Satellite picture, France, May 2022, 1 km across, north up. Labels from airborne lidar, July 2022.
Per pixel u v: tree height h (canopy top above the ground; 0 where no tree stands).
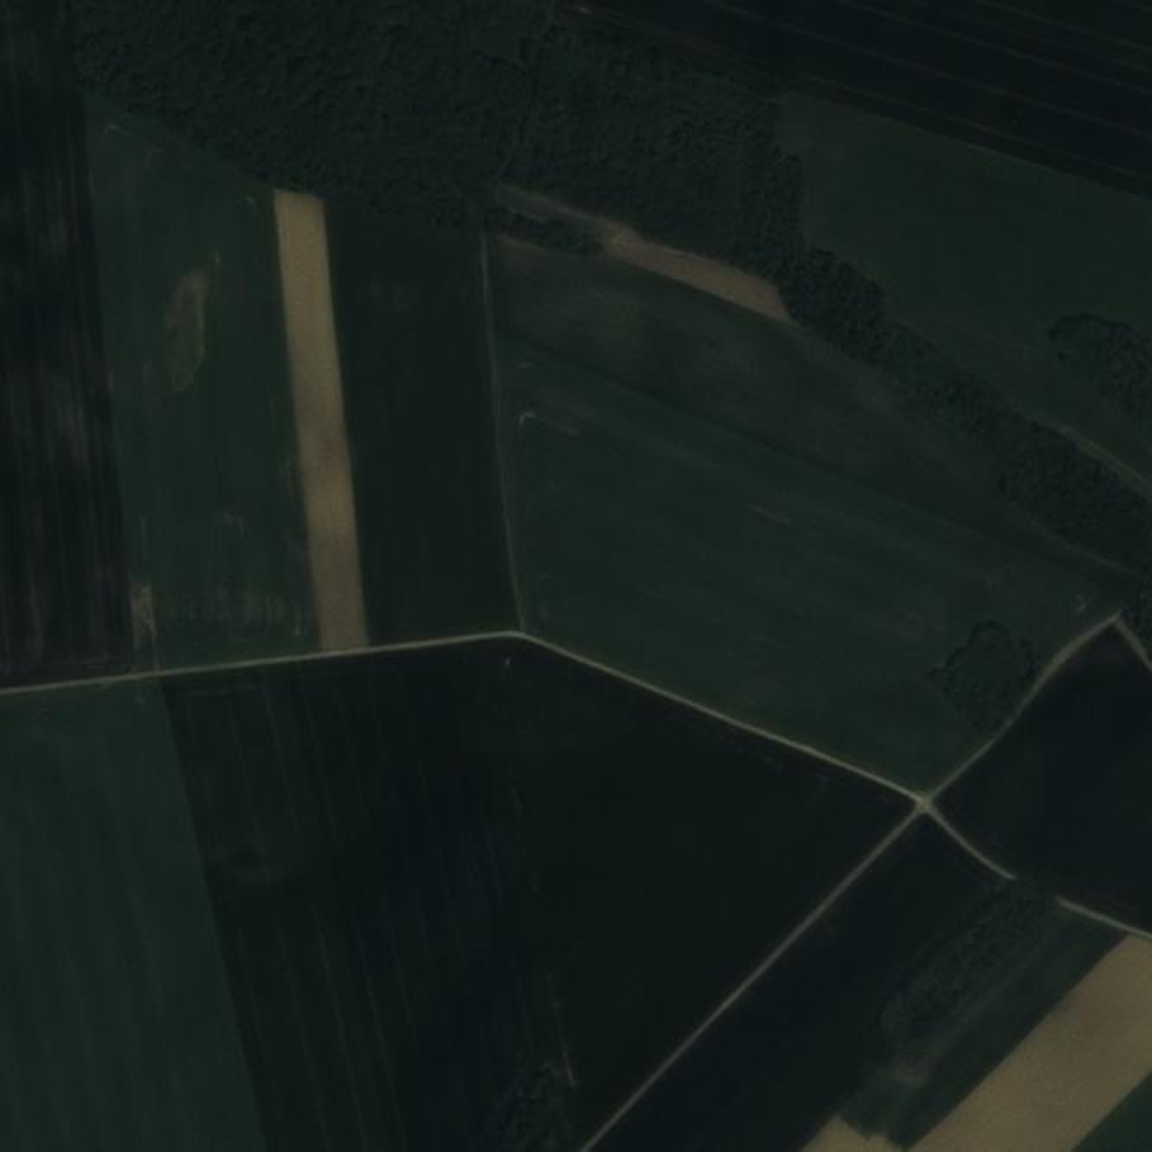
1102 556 14
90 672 0
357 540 0
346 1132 0
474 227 15
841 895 0
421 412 0
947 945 15
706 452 0
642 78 19
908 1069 0
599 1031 0
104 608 0
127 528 0
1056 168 0
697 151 17
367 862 0
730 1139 0
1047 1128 0
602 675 0
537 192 13
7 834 0
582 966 0
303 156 21
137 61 17
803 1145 0
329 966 0
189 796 0
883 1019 16
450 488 0
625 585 0
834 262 15
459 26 18
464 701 0
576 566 0
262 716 0
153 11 22
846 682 0
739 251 16
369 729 0
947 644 0
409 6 23
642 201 12
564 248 18
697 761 0
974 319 0
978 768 0
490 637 0
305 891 0
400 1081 0
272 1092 0
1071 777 0
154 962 0
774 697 0
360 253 0
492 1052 0
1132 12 0
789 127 0
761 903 0
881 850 0
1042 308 0
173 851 0
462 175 19
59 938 0
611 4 0
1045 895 14
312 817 0
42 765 0
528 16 15
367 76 24
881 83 0
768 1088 0
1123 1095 0
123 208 0
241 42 24
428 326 0
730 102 22
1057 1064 0
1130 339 15
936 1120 0
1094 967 0
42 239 0
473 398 0
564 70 19
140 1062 0
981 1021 0
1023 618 0
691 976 0
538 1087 9
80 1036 0
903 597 0
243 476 0
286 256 0
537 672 0
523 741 0
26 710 0
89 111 0
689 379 0
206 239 0
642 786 0
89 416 0
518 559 0
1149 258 0
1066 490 16
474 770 0
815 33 0
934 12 0
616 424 0
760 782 0
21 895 0
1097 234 0
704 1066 0
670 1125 0
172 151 0
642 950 0
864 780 0
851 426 0
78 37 0
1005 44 0
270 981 0
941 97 0
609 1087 0
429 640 0
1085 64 0
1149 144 0
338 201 12
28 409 0
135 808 0
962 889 0
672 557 0
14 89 0
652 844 0
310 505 0
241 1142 0
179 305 0
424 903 0
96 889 0
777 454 0
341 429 0
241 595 0
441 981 0
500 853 0
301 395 0
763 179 20
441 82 22
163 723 0
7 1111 0
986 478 0
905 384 18
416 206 17
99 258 0
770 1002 0
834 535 0
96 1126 0
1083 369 19
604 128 18
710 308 0
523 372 0
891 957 0
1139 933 0
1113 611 0
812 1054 0
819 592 0
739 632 0
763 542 0
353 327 0
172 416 0
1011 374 0
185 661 0
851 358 15
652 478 0
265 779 0
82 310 0
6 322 0
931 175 0
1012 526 0
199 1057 0
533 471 0
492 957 0
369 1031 0
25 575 0
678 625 0
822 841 0
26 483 0
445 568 0
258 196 0
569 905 0
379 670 0
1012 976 0
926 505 0
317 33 27
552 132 14
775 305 0
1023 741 0
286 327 0
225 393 0
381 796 0
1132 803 0
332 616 0
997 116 0
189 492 0
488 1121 0
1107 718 0
